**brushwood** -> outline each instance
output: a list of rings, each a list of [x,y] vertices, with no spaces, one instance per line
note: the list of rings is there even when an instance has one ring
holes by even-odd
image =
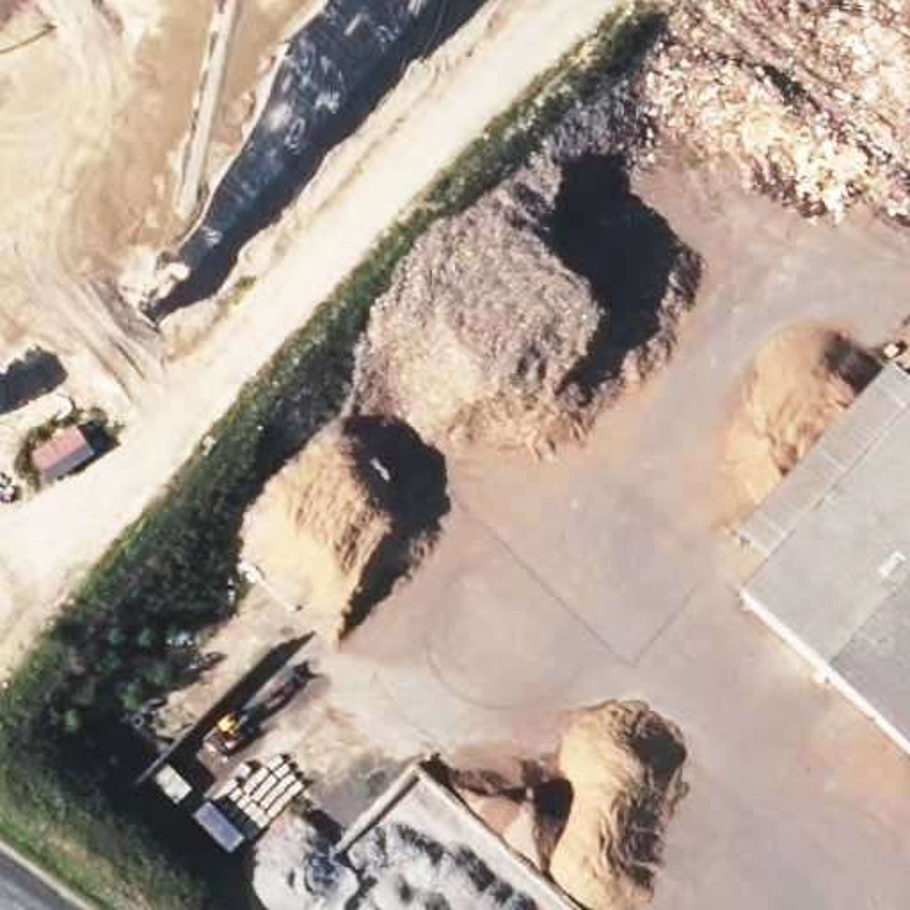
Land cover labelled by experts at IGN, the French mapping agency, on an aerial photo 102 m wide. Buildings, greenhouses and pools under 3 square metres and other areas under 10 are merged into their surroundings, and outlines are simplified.
[[[469,174],[455,203],[444,203],[444,213],[451,217],[476,206],[508,174],[526,167],[540,142],[569,114],[565,103],[555,96],[544,103],[537,124],[515,135],[505,149],[491,149],[483,139],[473,139],[466,149],[476,156],[480,171]]]
[[[174,690],[199,683],[188,665],[199,651],[171,647],[167,636],[210,633],[235,619],[238,611],[228,604],[228,579],[238,569],[245,508],[263,494],[267,480],[284,462],[291,462],[306,444],[291,434],[291,427],[267,419],[252,448],[252,462],[231,491],[213,487],[206,494],[206,505],[181,508],[185,526],[164,530],[156,544],[146,547],[139,562],[117,576],[114,601],[107,601],[100,611],[85,615],[82,622],[71,622],[64,611],[50,629],[60,643],[78,651],[82,672],[60,675],[60,686],[50,700],[39,697],[39,707],[28,725],[28,743],[43,757],[68,729],[78,729],[78,714],[85,704],[92,704],[100,683],[110,686],[117,697],[124,697],[124,686],[132,683],[139,690],[139,700],[167,700]]]
[[[668,28],[661,11],[647,11],[633,14],[615,39],[608,39],[594,53],[590,68],[569,71],[569,85],[583,92],[583,103],[594,103],[601,89],[611,89],[619,78],[643,78],[643,60],[651,46]]]

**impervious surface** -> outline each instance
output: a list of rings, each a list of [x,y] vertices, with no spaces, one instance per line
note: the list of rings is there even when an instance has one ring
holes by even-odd
[[[786,658],[768,643],[768,626],[746,608],[757,572],[743,555],[739,526],[757,515],[757,501],[778,483],[778,476],[789,476],[796,469],[796,462],[821,441],[821,434],[828,434],[835,412],[857,402],[857,395],[882,373],[882,366],[889,373],[910,373],[910,231],[867,217],[864,235],[853,242],[835,228],[832,213],[800,217],[796,210],[761,196],[754,185],[743,188],[739,167],[725,149],[707,149],[707,164],[693,171],[658,171],[658,178],[665,181],[665,196],[651,210],[661,213],[672,235],[700,256],[700,284],[693,306],[686,306],[675,316],[672,363],[651,373],[640,402],[626,402],[619,395],[615,405],[601,409],[583,448],[565,444],[544,459],[526,459],[523,466],[483,455],[469,469],[483,480],[483,491],[473,494],[466,505],[459,498],[448,501],[434,547],[409,569],[409,576],[402,576],[391,587],[391,594],[370,611],[370,619],[348,640],[338,636],[334,643],[320,643],[302,629],[306,601],[295,597],[295,604],[277,608],[238,569],[228,579],[228,604],[238,611],[235,619],[210,633],[167,636],[171,647],[199,651],[188,665],[199,683],[174,690],[167,700],[139,700],[139,690],[132,683],[124,686],[124,697],[117,697],[110,686],[100,683],[92,704],[85,704],[78,714],[78,729],[68,729],[43,757],[46,775],[53,775],[68,800],[75,800],[82,810],[96,818],[132,821],[153,860],[164,860],[174,874],[203,882],[199,910],[910,910],[910,750],[896,746],[878,729],[857,722],[832,690],[796,675],[786,665]],[[160,771],[167,768],[174,768],[188,782],[188,793],[178,800],[160,789]],[[224,850],[196,821],[199,807],[213,807],[238,832],[242,842],[235,850]]]
[[[28,860],[0,839],[0,910],[82,910],[85,899],[75,889],[57,882],[46,867],[39,867],[36,860]]]

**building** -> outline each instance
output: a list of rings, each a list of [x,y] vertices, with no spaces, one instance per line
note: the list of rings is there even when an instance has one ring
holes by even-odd
[[[188,782],[174,768],[167,768],[160,771],[160,789],[178,800],[188,793]]]
[[[78,430],[57,430],[43,448],[36,448],[43,487],[78,476],[92,462],[100,462],[100,455],[85,444]]]
[[[242,842],[238,832],[213,807],[199,807],[196,821],[224,850],[235,850]]]
[[[910,750],[910,373],[889,373],[882,366],[882,373],[857,395],[857,402],[835,412],[828,434],[821,434],[821,441],[796,462],[796,469],[789,476],[778,476],[778,483],[757,501],[757,515],[739,526],[743,555],[757,572],[746,608],[768,626],[768,643],[786,658],[786,665],[796,675],[832,690],[857,722],[878,729],[896,746]]]

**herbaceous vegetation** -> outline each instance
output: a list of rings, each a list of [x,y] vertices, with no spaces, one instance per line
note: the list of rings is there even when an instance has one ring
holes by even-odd
[[[28,743],[28,725],[39,707],[39,697],[50,700],[60,686],[60,675],[82,672],[78,651],[60,643],[50,629],[36,640],[36,651],[0,690],[0,839],[28,860],[36,860],[39,867],[46,867],[57,882],[75,889],[85,899],[82,910],[199,910],[203,882],[174,874],[164,860],[153,860],[132,821],[96,818],[82,810],[75,800],[68,800],[53,775],[46,775],[43,757]]]
[[[341,405],[345,387],[352,380],[355,341],[366,334],[370,309],[387,291],[398,263],[412,252],[416,238],[430,231],[430,224],[451,217],[444,213],[444,203],[455,203],[469,174],[480,171],[476,156],[466,149],[434,178],[427,192],[412,199],[412,217],[391,224],[387,235],[366,252],[366,259],[274,352],[274,359],[256,373],[256,380],[249,380],[238,391],[235,405],[213,423],[213,448],[206,455],[192,455],[171,476],[167,491],[92,565],[89,579],[64,611],[71,622],[82,622],[85,615],[100,611],[107,601],[114,601],[117,576],[139,562],[146,547],[156,544],[164,530],[185,526],[181,508],[206,505],[206,494],[213,487],[231,491],[252,462],[252,448],[267,419],[291,427],[291,434],[306,444],[331,423],[334,409]]]

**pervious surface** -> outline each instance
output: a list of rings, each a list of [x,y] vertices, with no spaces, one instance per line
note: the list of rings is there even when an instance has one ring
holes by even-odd
[[[594,53],[608,39],[615,39],[633,14],[647,11],[661,11],[668,28],[651,46],[643,60],[643,78],[619,78],[611,89],[601,89],[594,103],[583,103],[583,92],[569,85],[569,71],[590,68]],[[515,135],[537,124],[544,103],[555,96],[565,103],[569,114],[540,142],[526,167],[508,174],[476,206],[451,217],[430,224],[430,231],[416,238],[412,252],[398,263],[387,291],[370,309],[366,334],[355,341],[352,380],[345,387],[341,405],[334,409],[331,423],[306,444],[291,462],[284,462],[267,480],[263,494],[245,508],[238,569],[277,608],[295,604],[295,597],[306,601],[302,629],[320,643],[334,643],[338,636],[348,640],[370,619],[370,611],[391,594],[391,587],[402,576],[409,576],[409,569],[434,547],[448,501],[459,498],[466,505],[473,494],[483,491],[483,480],[469,469],[483,455],[523,466],[526,459],[544,459],[565,444],[583,448],[601,409],[615,405],[619,395],[626,402],[640,402],[651,373],[672,363],[675,316],[686,306],[693,306],[700,284],[700,256],[672,235],[661,213],[651,210],[665,196],[665,181],[658,178],[658,171],[693,171],[707,164],[707,149],[725,149],[739,167],[743,188],[754,185],[761,196],[796,210],[800,217],[832,213],[835,228],[853,242],[864,235],[867,217],[910,231],[910,0],[0,0],[0,690],[36,651],[36,640],[50,629],[64,611],[89,579],[92,565],[167,491],[171,476],[192,455],[206,455],[213,448],[213,423],[235,405],[238,391],[249,380],[256,380],[256,373],[274,359],[274,352],[366,259],[366,252],[387,235],[391,224],[412,217],[412,199],[427,192],[434,178],[466,149],[473,139],[483,139],[491,149],[505,149]],[[92,462],[78,476],[43,487],[36,448],[43,448],[57,430],[78,430],[85,444],[100,455],[100,462]]]

